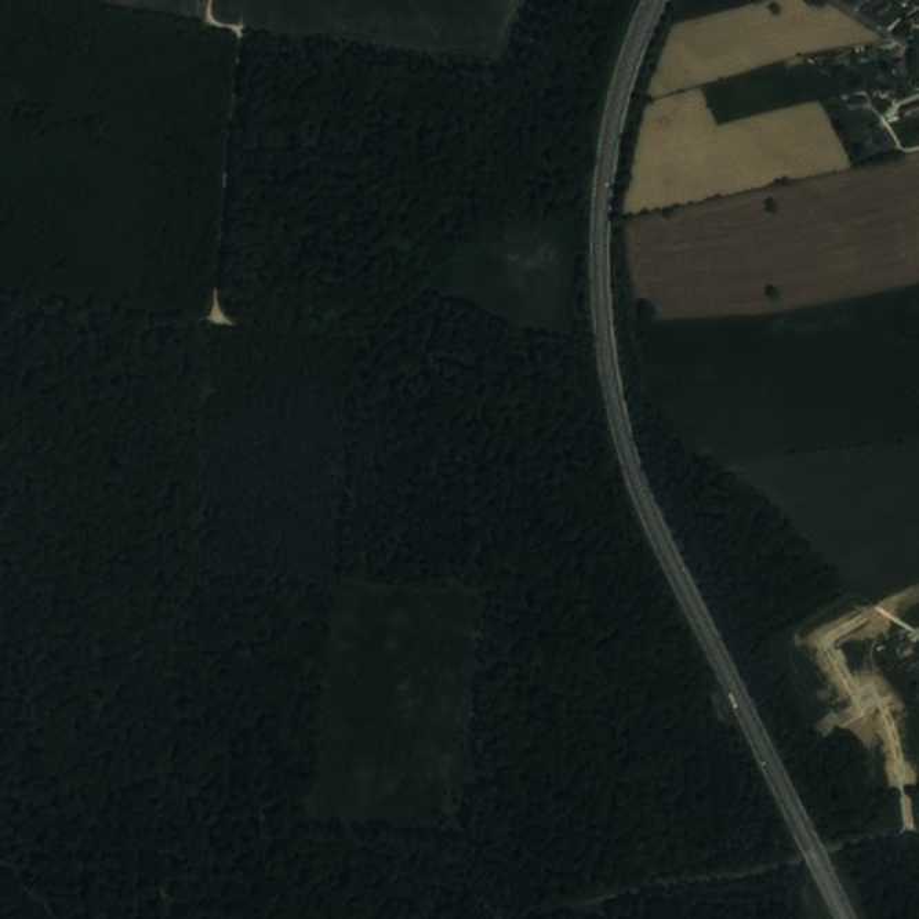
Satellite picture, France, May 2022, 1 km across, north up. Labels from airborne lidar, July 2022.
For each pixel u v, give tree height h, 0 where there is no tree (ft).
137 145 45
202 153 44
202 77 45
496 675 71
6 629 102
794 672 0
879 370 0
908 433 0
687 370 0
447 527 84
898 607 0
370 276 74
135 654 91
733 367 0
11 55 62
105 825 91
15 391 101
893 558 0
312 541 34
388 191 96
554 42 101
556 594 82
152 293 49
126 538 87
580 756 69
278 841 81
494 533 98
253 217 112
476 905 86
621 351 24
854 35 0
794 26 0
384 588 82
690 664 83
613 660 91
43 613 86
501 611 81
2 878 92
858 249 0
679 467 78
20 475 102
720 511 73
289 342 30
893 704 0
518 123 97
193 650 86
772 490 0
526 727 82
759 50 0
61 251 51
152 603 86
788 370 0
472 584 91
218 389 49
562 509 84
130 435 79
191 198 53
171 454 95
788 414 0
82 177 49
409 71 94
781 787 0
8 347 99
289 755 100
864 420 0
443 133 98
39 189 55
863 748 59
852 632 0
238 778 93
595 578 94
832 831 28
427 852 82
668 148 0
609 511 83
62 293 51
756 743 0
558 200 67
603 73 43
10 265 57
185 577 80
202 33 45
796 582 83
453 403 88
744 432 0
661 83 0
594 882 68
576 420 82
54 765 83
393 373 78
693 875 41
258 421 39
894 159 31
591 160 65
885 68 58
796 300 0
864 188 0
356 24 0
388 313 68
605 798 55
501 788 82
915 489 0
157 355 100
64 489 77
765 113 0
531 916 24
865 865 53
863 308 0
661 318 0
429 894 88
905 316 0
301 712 96
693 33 0
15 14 55
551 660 91
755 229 0
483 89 104
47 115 43
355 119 49
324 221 97
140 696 97
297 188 101
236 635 105
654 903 80
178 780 96
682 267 0
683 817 84
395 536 79
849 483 0
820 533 0
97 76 44
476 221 86
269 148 86
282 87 94
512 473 83
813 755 58
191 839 96
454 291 0
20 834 100
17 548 99
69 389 91
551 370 88
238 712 93
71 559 86
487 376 88
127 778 94
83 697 94
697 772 83
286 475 31
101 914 60
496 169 100
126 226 46
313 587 54
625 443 0
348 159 96
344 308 87
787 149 0
